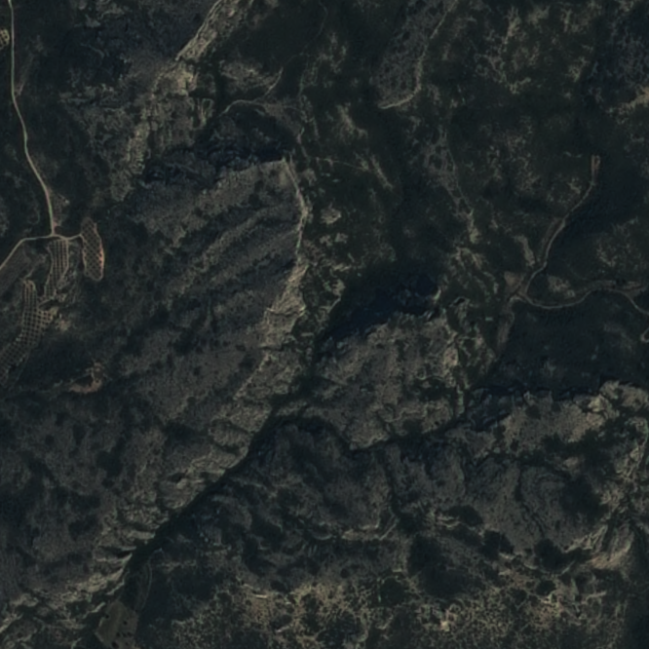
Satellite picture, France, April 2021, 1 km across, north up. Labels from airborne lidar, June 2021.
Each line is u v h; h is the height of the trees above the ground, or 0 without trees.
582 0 0
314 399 0
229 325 0
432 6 0
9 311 0
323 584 0
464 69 0
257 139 0
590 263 0
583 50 0
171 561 0
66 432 0
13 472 0
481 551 0
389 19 0
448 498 0
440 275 0
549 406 0
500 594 0
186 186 0
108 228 0
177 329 0
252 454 8
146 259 0
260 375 0
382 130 0
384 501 0
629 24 0
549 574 0
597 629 0
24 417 0
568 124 0
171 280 0
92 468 0
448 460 0
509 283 0
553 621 0
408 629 0
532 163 0
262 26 0
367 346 0
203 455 0
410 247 0
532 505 0
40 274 0
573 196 0
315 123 0
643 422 0
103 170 0
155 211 0
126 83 0
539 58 0
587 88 0
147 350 0
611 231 0
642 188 0
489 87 0
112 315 0
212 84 0
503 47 0
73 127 0
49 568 0
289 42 0
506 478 0
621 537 0
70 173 0
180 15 0
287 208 0
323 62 0
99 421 0
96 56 0
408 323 0
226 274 0
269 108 0
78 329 0
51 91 0
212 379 0
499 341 0
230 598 0
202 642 0
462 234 0
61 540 0
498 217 0
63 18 0
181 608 0
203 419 0
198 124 0
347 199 0
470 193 0
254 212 0
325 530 0
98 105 0
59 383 0
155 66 0
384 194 0
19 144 0
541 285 0
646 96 0
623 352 0
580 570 0
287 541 0
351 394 0
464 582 0
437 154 0
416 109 0
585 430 0
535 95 0
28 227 0
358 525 0
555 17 0
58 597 0
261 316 0
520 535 0
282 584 0
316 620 0
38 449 0
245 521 0
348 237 0
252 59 0
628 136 0
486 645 0
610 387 0
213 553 0
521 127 0
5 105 0
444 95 0
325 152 0
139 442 0
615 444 0
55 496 0
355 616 0
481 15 0
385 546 0
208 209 0
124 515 0
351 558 0
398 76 0
